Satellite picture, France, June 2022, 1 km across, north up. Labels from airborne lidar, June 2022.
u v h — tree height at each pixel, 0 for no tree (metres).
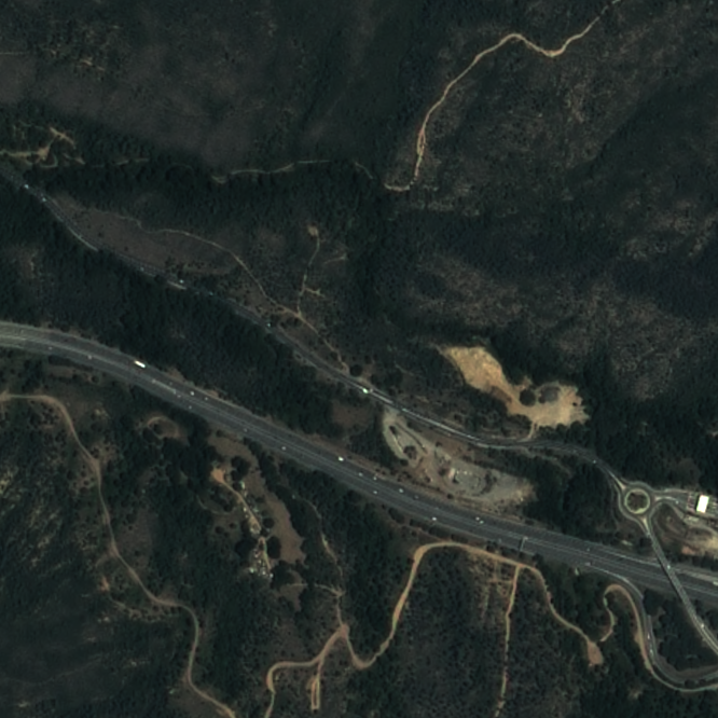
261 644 6
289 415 7
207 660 9
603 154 9
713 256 16
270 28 6
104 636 0
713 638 0
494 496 0
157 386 0
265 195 11
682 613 11
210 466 8
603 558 0
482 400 12
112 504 8
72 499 6
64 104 0
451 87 0
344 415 0
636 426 10
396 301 15
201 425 14
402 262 12
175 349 12
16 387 0
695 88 7
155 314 14
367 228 6
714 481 19
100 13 7
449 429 0
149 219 6
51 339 0
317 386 6
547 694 11
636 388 0
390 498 0
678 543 0
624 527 0
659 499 0
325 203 13
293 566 7
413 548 0
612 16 12
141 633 8
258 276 8
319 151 11
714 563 10
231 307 8
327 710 0
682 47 0
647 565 0
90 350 0
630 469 16
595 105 9
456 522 0
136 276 19
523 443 0
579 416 0
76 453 8
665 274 14
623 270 11
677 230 0
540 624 9
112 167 12
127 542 0
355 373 11
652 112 7
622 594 0
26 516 7
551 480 10
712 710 11
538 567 8
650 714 6
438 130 9
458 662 17
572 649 9
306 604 12
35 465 7
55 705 10
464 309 0
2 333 0
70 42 12
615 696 9
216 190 20
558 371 11
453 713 9
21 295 9
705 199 11
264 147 10
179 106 0
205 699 0
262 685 6
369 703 7
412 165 0
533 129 0
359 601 8
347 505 12
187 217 6
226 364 12
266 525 12
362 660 0
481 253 14
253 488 0
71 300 11
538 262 11
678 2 10
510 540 0
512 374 16
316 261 0
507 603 0
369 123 11
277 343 9
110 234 0
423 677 0
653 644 0
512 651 9
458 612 14
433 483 0
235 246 0
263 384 14
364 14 0
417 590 13
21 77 0
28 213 12
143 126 0
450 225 10
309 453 0
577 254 10
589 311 0
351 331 10
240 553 15
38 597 6
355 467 0
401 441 0
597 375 9
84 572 8
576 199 7
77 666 0
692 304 12
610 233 8
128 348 16
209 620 0
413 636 15
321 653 0
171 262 6
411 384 0
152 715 9
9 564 10
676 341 0
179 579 8
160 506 9
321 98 6
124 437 11
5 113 13
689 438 16
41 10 7
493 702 8
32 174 16
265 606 7
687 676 0
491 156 7
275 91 10
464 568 0
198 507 10
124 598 7
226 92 0
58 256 9
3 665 6
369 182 9
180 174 26
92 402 0
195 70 0
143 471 8
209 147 0
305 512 10
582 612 9
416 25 11
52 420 8
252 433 0
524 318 8
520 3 10
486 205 7
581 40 0
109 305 12
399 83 5
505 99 6
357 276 10
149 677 7
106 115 0
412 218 6
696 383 13
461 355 0
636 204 0
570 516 9
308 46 12
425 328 6
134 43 7
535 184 9
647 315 0
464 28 8
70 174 9
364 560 12
